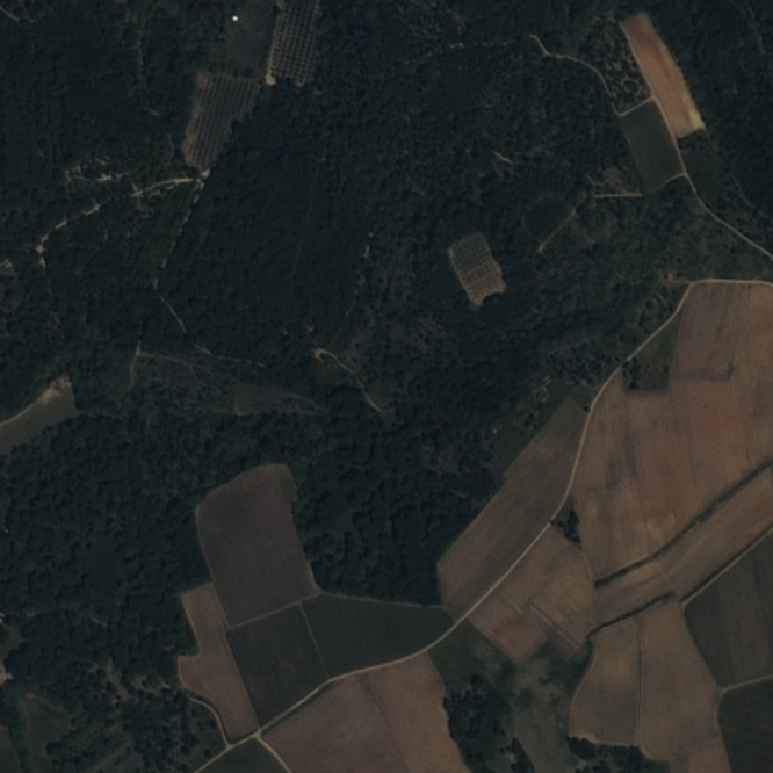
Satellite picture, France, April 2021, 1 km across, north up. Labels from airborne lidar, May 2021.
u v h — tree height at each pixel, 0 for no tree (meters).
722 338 0
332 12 8
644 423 0
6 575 12
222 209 9
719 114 6
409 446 10
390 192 16
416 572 14
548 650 0
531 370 7
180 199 7
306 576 0
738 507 0
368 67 18
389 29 7
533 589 0
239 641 0
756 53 8
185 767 7
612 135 7
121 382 20
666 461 0
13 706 15
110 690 10
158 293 6
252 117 8
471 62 6
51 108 10
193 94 10
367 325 8
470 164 11
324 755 0
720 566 0
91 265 7
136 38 9
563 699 0
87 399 13
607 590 0
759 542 0
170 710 9
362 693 0
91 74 7
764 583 0
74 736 10
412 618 0
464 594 0
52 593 12
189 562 13
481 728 13
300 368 8
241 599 0
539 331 9
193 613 0
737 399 0
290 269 6
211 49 12
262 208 6
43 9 12
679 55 13
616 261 14
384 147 13
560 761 0
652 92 0
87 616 7
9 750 0
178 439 13
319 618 0
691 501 0
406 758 0
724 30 7
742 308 0
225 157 7
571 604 0
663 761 0
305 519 8
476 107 7
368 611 0
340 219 8
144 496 13
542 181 13
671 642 0
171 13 8
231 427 9
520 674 0
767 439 0
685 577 0
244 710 0
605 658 0
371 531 14
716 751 0
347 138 13
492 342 7
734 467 0
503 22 10
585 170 8
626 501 0
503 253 6
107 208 10
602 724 0
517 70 10
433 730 0
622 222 9
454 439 6
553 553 0
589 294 12
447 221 11
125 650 11
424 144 19
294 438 14
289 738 0
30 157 11
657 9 7
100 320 13
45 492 11
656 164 0
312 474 13
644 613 0
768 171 8
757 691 0
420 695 0
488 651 0
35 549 9
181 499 11
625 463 0
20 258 16
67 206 10
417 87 13
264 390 0
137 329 10
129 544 11
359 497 12
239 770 0
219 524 0
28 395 13
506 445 0
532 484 0
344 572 10
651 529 0
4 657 0
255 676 0
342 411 13
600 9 7
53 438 10
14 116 12
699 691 0
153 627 12
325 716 0
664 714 0
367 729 0
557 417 0
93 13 7
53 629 11
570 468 0
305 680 0
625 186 0
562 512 0
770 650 0
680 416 0
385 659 0
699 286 0
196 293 7
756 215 5
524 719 0
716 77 16
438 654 0
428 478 9
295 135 6
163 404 8
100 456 11
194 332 8
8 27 8
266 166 7
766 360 0
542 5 10
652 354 0
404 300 9
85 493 13
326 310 7
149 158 7
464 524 7
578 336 13
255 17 0
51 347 8
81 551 14
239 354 8
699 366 0
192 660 0
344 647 0
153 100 11
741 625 0
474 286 0
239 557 0
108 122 8
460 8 11
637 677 0
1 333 6
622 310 15
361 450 15
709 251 0
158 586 10
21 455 12
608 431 0
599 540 0
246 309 6
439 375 10
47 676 11
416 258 13
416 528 13
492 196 13
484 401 8
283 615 0
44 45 7
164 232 7
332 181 8
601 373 7
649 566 0
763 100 6
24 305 7
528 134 11
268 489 0
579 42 7
